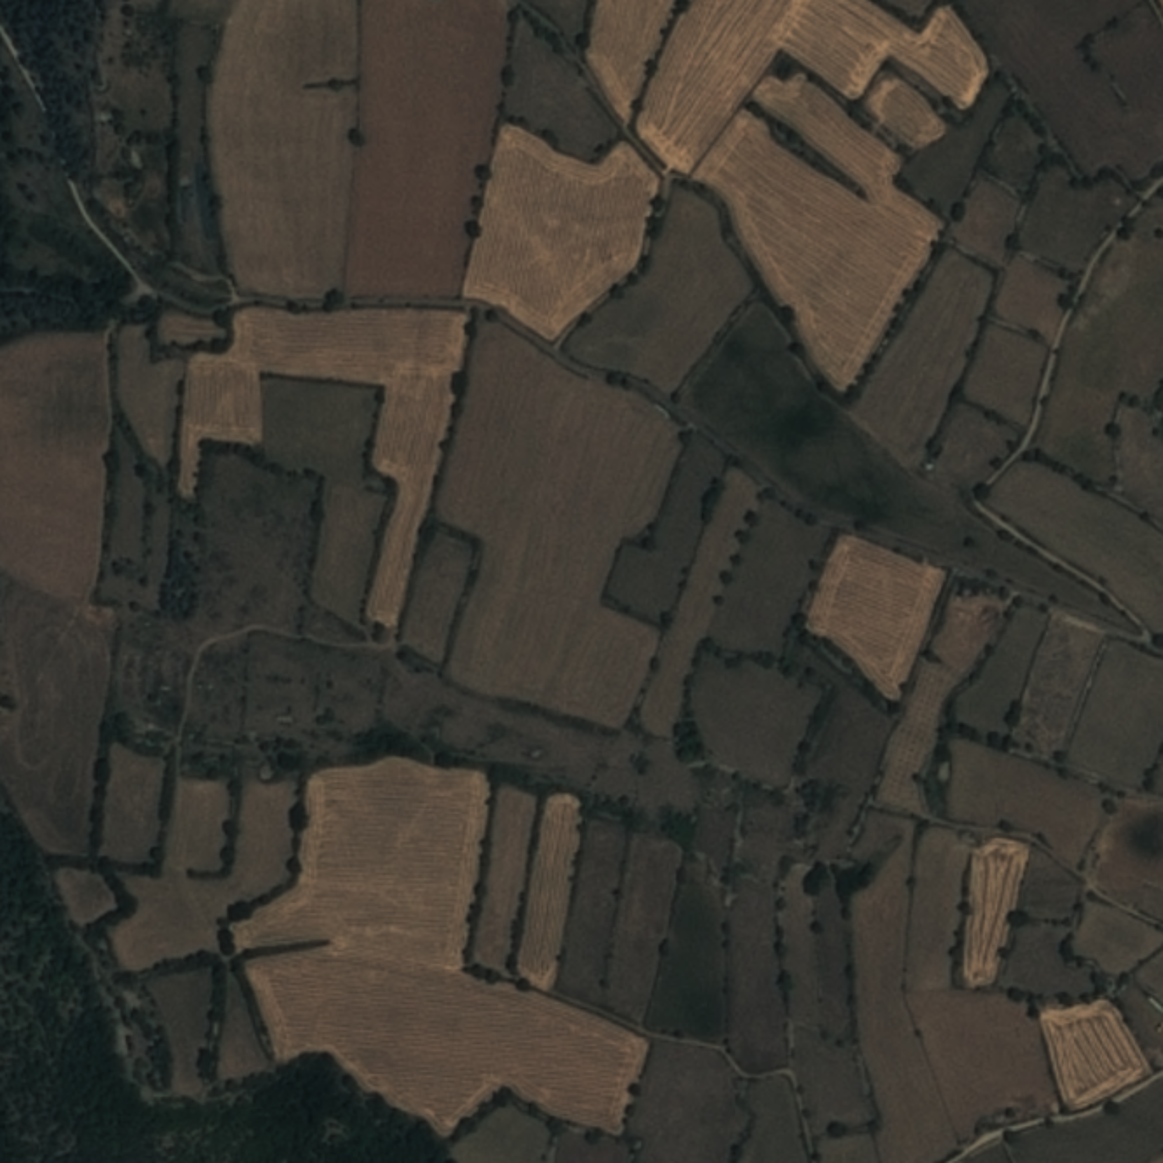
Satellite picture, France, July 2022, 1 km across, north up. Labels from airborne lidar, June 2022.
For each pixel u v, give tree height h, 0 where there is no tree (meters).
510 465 0
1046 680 0
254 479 0
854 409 0
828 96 0
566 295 0
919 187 0
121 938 0
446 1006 0
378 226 0
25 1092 7
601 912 0
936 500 0
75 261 0
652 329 0
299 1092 19
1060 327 0
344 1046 0
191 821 0
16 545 0
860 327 0
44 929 6
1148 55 0
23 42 11
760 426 0
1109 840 0
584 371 0
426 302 0
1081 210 0
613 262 0
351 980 0
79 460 0
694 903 0
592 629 0
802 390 0
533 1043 0
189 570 12
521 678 0
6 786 0
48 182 0
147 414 0
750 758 0
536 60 0
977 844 0
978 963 0
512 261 0
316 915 0
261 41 0
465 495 0
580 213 0
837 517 0
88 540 0
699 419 0
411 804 0
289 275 0
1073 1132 0
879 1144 0
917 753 0
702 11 0
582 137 0
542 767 0
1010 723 9
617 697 0
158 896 0
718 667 0
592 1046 0
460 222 0
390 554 0
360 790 0
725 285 0
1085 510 0
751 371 0
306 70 0
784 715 0
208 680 0
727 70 0
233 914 12
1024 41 0
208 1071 6
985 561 0
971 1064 0
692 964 0
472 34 0
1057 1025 0
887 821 0
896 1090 0
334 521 0
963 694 0
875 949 0
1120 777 0
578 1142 0
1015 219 0
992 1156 0
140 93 0
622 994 0
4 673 0
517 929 9
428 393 0
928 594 0
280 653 0
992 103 0
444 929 0
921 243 0
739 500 0
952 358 0
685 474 0
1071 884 0
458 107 0
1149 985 0
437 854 0
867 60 0
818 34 0
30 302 17
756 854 0
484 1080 0
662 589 0
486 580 0
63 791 0
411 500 0
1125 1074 0
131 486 0
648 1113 0
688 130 0
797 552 0
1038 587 0
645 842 0
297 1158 14
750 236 0
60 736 0
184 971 10
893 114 0
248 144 0
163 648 0
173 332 0
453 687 0
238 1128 8
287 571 0
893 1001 0
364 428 0
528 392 0
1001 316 0
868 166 0
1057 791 0
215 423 0
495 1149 0
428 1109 0
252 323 0
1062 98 0
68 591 0
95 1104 6
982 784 0
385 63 0
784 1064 0
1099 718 0
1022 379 0
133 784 0
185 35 0
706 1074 0
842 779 0
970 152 0
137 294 0
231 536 0
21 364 0
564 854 0
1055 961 0
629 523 0
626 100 0
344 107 0
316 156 0
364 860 0
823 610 0
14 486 0
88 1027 11
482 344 0
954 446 0
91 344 0
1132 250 0
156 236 0
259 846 0
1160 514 0
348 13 0
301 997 0
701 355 0
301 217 0
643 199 0
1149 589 0
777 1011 0
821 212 0
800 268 0
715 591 0
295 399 0
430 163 0
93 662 0
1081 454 0
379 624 6
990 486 6
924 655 6
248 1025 0
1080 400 0
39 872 7
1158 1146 0
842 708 0
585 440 0
